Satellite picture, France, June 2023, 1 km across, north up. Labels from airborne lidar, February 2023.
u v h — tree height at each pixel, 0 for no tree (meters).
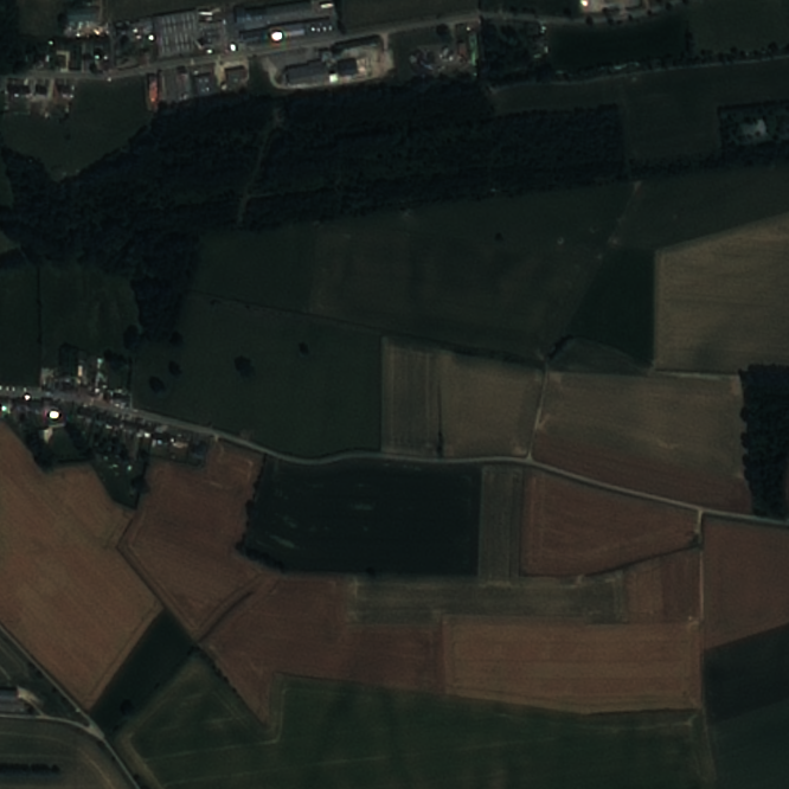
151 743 0
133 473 0
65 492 0
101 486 0
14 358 0
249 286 0
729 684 0
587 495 0
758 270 0
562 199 0
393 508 0
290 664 0
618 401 0
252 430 0
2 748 0
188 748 0
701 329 0
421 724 0
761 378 26
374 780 0
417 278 0
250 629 0
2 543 0
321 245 0
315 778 0
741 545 0
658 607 0
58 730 0
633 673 0
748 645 0
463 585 0
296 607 0
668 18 0
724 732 0
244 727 0
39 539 0
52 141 0
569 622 0
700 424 0
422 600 0
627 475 0
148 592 0
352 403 0
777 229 0
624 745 0
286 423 0
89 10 0
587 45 0
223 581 0
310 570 0
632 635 0
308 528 0
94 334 0
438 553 0
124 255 24
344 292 0
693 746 0
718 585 0
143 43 0
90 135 0
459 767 0
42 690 0
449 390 0
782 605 0
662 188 0
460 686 0
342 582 0
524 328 0
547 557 0
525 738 0
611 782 0
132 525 0
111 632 0
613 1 0
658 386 0
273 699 0
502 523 0
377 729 0
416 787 0
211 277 0
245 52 0
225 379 0
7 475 0
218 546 0
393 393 0
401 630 0
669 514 0
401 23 0
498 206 0
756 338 0
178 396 0
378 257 0
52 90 0
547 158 14
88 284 0
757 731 0
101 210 7
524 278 0
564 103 0
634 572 0
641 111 0
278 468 0
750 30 0
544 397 0
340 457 0
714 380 0
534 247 0
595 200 0
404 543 0
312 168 19
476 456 0
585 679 0
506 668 0
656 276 0
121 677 0
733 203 0
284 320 0
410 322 0
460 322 0
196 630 0
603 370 0
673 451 0
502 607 0
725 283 0
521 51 14
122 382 0
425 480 0
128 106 0
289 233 0
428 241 0
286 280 0
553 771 0
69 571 0
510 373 0
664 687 0
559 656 0
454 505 0
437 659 0
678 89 0
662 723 0
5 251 0
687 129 0
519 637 0
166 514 0
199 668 0
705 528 0
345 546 0
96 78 0
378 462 0
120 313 0
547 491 0
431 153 6
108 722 0
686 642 0
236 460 0
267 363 0
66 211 21
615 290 0
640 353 0
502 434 0
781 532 0
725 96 0
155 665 0
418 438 0
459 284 0
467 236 0
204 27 0
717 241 0
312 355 0
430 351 0
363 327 0
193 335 0
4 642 0
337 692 0
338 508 0
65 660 0
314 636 0
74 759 0
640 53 0
